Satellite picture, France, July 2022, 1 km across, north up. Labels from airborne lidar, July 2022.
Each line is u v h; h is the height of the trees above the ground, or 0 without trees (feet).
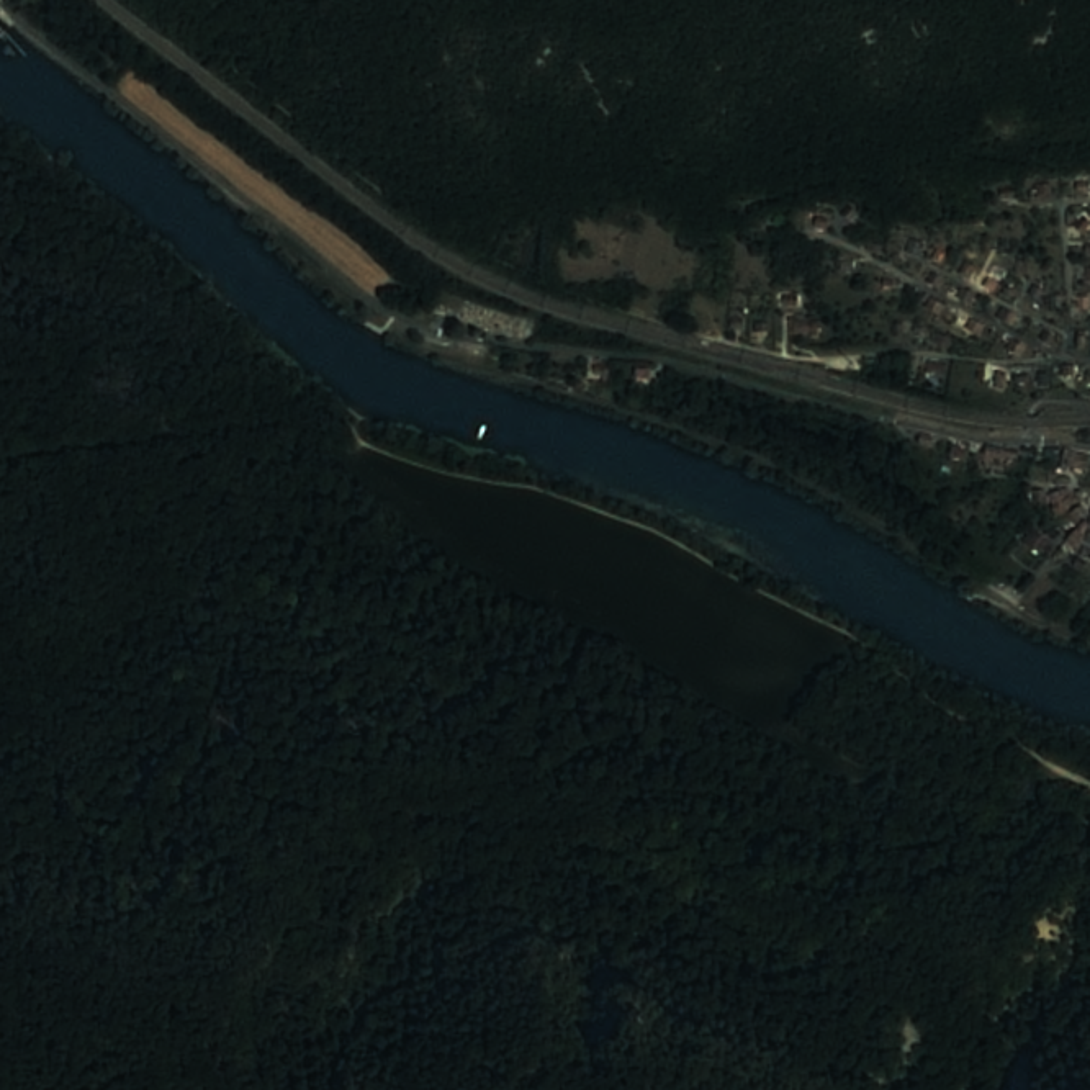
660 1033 45
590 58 34
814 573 0
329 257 0
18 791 90
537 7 53
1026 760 46
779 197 48
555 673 128
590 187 60
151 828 108
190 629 78
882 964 86
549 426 0
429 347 0
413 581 104
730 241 28
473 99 31
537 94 37
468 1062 111
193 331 77
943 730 63
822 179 55
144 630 103
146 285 61
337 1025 56
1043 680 0
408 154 46
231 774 126
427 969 102
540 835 103
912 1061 27
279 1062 115
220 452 79
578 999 58
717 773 88
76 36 72
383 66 49
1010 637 0
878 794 76
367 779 89
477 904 89
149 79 65
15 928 83
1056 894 63
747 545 0
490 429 0
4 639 100
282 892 52
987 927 62
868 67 27
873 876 102
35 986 83
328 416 86
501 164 48
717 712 37
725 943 71
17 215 107
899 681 64
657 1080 79
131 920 84
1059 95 53
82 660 88
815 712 80
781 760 89
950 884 86
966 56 28
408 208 68
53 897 68
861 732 66
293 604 72
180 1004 70
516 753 88
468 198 56
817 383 0
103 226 33
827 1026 96
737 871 94
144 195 0
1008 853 65
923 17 26
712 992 90
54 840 90
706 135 27
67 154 40
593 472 0
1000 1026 100
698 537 59
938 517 58
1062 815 52
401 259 54
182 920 97
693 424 61
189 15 36
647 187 50
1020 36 44
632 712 107
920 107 47
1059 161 50
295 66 49
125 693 106
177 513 71
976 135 48
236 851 83
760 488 0
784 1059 73
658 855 51
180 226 0
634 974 87
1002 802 52
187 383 84
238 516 105
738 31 33
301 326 0
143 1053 63
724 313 0
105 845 112
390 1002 96
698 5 36
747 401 73
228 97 0
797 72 38
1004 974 48
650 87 39
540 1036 73
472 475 48
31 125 0
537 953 21
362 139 44
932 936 68
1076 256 36
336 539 64
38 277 77
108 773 105
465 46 28
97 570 81
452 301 0
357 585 81
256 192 0
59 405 101
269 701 90
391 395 0
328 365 0
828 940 72
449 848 91
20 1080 54
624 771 107
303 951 98
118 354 83
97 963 81
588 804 87
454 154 49
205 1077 62
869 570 0
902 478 96
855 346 19
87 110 0
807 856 74
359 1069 80
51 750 100
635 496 0
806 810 108
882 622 0
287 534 41
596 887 87
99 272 55
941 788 66
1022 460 21
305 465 110
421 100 48
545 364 36
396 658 96
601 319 0
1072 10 38
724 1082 51
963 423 0
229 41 41
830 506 40
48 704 98
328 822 85
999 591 0
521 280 30
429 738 106
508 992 84
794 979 77
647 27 50
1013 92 52
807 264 46
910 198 51
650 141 46
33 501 93
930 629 0
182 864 120
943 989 69
